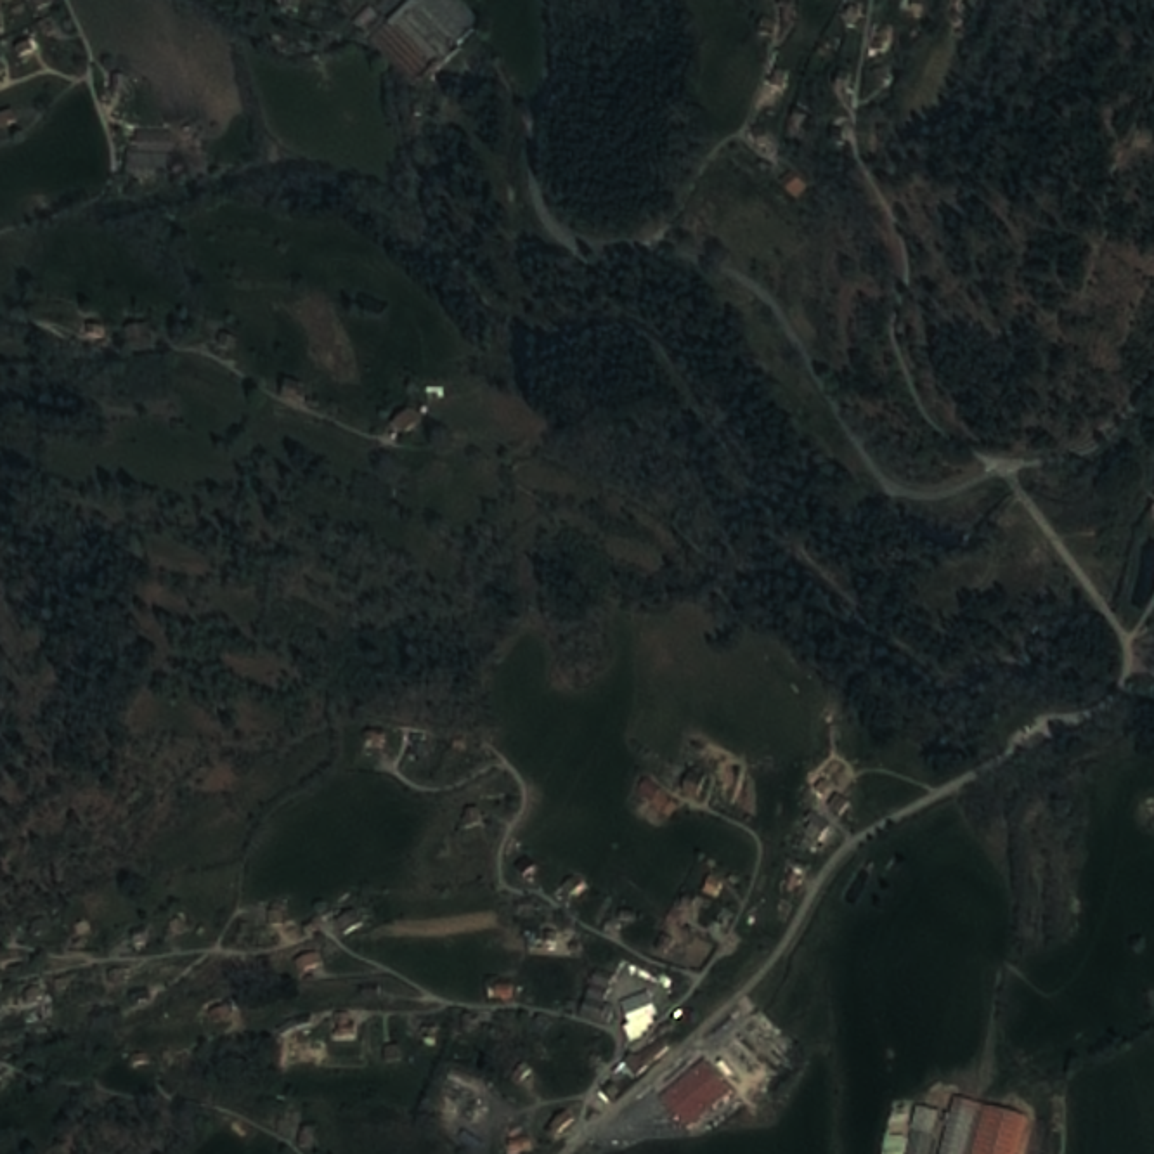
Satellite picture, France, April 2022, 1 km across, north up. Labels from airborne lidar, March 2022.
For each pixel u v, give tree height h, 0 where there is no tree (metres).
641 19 24
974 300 0
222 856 0
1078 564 0
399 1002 0
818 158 7
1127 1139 0
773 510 27
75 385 9
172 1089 12
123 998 0
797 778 0
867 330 7
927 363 13
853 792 0
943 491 0
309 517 8
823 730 0
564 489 0
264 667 0
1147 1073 0
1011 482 0
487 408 0
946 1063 0
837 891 0
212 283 8
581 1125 0
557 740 0
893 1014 0
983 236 23
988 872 0
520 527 6
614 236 20
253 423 11
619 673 0
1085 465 11
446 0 0
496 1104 0
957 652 19
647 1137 0
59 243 0
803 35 0
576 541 5
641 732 0
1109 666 24
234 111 0
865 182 18
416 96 16
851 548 31
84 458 0
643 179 25
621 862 0
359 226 27
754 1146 0
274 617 6
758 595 30
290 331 0
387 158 0
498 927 0
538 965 0
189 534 9
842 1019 0
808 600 33
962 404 18
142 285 0
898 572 24
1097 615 18
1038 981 0
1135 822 0
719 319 28
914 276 0
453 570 0
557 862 0
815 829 0
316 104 0
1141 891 0
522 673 0
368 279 0
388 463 20
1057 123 11
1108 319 16
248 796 0
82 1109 20
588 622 15
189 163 0
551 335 23
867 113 9
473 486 0
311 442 0
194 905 0
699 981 0
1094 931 0
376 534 17
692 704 0
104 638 23
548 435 0
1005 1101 0
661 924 0
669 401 11
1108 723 19
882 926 0
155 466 0
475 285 30
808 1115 0
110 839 15
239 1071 26
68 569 30
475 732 10
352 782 0
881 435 9
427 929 0
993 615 32
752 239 0
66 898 10
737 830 0
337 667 6
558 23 17
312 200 27
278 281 0
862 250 9
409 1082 0
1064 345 11
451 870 0
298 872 0
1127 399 21
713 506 29
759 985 0
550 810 0
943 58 0
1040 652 22
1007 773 18
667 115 23
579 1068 0
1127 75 7
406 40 0
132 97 0
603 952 0
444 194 36
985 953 0
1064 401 7
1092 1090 0
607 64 20
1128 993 0
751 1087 0
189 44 0
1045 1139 0
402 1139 0
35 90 0
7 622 0
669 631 0
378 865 0
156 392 9
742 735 0
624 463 21
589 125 20
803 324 0
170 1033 0
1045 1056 0
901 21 0
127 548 11
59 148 0
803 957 0
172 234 21
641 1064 0
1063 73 9
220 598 0
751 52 0
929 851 0
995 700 20
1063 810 16
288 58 15
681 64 22
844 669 24
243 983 28
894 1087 0
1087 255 6
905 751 0
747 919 0
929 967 0
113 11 0
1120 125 10
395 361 0
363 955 7
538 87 0
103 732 18
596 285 29
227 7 7
